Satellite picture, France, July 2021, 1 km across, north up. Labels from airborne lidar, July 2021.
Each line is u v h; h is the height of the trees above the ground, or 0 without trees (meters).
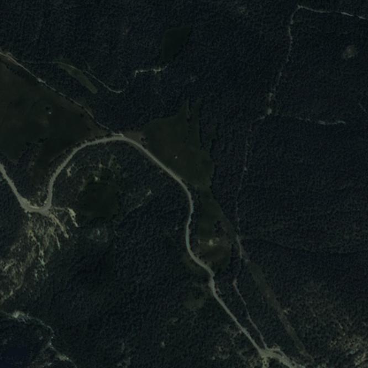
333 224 11
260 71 19
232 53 13
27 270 11
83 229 16
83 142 8
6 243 6
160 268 16
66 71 13
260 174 6
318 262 11
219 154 17
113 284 17
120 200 13
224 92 18
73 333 14
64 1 9
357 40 18
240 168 14
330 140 14
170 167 0
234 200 14
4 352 14
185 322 16
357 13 9
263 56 16
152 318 15
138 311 6
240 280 12
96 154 12
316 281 9
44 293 12
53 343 6
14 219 9
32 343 14
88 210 0
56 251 8
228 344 9
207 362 16
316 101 10
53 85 12
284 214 14
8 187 12
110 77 10
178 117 0
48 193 6
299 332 7
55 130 0
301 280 10
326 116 11
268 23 15
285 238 7
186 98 11
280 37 11
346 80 11
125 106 9
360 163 13
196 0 9
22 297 7
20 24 10
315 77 8
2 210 9
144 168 13
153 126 0
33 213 8
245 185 14
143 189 10
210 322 20
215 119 16
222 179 13
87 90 12
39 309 16
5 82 0
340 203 10
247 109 14
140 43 10
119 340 11
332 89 9
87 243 14
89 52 9
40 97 0
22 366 11
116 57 10
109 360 16
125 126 11
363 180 7
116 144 13
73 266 14
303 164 14
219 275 13
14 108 0
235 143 16
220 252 0
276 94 14
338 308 6
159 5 15
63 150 0
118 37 7
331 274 10
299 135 12
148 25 12
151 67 10
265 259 12
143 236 10
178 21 16
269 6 10
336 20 17
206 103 17
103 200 0
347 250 10
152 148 0
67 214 8
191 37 7
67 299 11
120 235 14
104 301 11
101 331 19
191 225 9
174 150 0
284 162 6
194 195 7
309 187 11
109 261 19
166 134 0
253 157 10
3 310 7
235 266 19
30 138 0
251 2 16
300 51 15
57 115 0
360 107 8
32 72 9
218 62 16
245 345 11
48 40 15
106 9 20
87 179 7
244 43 12
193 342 14
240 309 11
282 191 8
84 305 14
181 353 14
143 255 9
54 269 14
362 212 8
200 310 9
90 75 14
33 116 0
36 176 0
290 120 9
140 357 15
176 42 0
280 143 12
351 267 11
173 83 15
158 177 12
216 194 18
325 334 10
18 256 10
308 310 9
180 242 18
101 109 10
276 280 12
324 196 10
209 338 16
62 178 14
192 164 0
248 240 7
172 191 15
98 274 20
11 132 0
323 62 10
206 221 0
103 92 15
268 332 8
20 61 9
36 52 16
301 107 9
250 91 14
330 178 8
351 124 15
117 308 16
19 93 0
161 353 15
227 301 18
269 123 13
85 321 15
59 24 12
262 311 7
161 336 15
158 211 19
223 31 11
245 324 10
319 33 16
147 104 10
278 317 11
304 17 9
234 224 13
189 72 15
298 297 9
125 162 14
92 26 10
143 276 12
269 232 15
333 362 10
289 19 12
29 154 7
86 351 21
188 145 0
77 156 15
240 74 19
